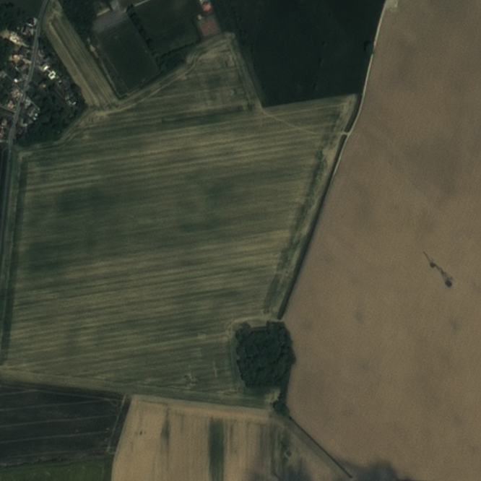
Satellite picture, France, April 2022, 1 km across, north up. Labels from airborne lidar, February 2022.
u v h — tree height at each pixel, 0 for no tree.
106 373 0
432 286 0
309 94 0
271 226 0
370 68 0
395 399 0
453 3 0
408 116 0
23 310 0
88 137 0
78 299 0
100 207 0
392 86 0
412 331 0
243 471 0
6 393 0
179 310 0
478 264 0
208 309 0
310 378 0
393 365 0
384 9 0
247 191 0
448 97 0
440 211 0
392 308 0
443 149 0
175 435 0
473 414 0
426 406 0
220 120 0
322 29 0
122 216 0
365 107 0
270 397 0
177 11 0
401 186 0
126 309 0
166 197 0
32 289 0
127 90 0
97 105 0
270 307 0
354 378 0
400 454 0
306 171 0
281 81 0
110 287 0
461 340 0
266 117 0
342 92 0
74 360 0
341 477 0
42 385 0
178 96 0
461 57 0
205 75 0
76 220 0
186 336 0
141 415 0
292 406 0
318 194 0
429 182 0
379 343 0
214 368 0
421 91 0
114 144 0
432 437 0
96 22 0
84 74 0
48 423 0
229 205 0
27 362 0
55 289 0
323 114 0
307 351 0
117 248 0
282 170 0
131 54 0
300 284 0
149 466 0
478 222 0
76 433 0
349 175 0
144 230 0
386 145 0
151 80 0
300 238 0
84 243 0
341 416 0
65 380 0
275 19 0
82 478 0
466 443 0
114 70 0
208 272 0
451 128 0
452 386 0
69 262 0
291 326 0
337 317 0
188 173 0
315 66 0
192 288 0
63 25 0
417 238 0
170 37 0
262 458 0
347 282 0
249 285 0
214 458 0
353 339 0
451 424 0
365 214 0
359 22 0
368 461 0
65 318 0
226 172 0
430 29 0
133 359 0
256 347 19
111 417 0
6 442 0
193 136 0
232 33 0
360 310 0
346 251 0
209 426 0
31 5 0
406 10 0
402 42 0
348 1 0
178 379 0
